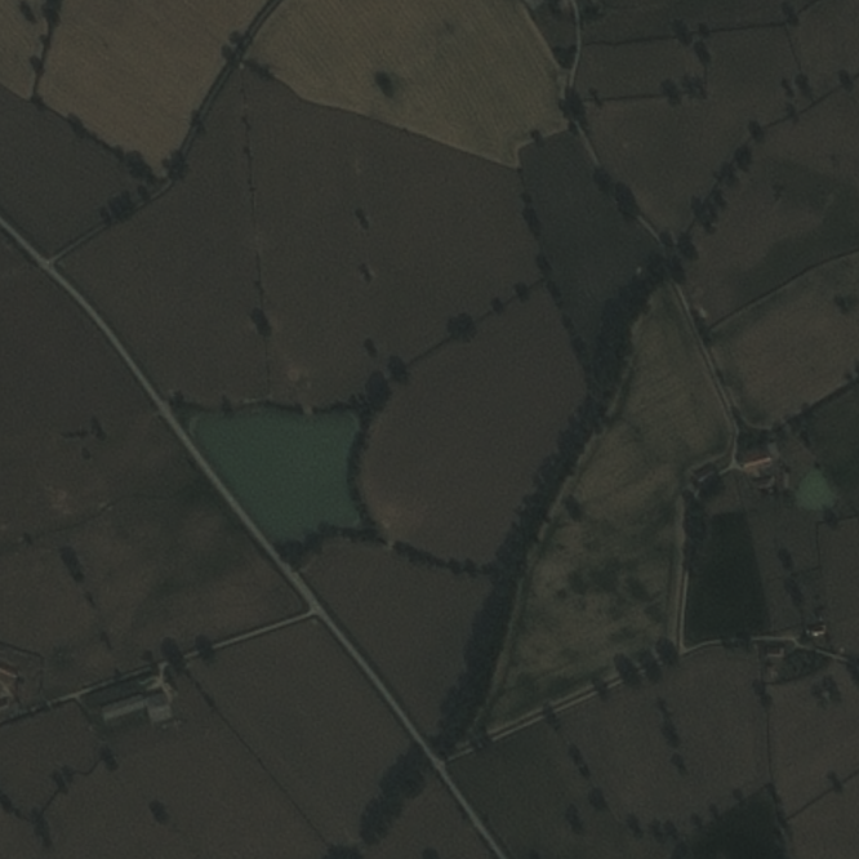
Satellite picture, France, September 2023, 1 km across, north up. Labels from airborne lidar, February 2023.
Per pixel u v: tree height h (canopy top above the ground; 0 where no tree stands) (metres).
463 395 0
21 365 0
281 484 0
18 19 0
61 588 0
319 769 0
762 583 0
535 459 0
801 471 0
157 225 0
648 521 0
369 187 0
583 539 0
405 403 0
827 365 0
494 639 12
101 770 0
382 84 17
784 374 0
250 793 0
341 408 10
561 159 0
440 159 0
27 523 0
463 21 0
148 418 0
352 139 0
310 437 0
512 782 0
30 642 0
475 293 0
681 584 0
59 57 0
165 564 0
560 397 0
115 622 0
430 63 0
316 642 0
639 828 18
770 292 0
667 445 0
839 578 0
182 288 0
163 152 0
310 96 0
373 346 11
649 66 0
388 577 0
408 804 0
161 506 0
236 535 0
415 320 0
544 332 0
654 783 0
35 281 0
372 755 0
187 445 0
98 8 0
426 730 0
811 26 0
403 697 0
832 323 0
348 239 0
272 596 0
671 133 0
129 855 0
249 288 0
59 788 14
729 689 0
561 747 0
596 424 17
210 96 0
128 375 0
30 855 0
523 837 0
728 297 0
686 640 0
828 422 0
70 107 0
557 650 0
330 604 0
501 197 0
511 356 0
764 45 0
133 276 0
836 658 0
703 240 0
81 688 0
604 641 0
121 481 0
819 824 0
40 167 0
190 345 0
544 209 0
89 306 0
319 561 0
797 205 0
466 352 0
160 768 0
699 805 0
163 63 0
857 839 0
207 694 0
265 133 0
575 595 0
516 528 11
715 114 0
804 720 0
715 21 0
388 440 0
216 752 0
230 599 0
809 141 0
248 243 0
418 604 0
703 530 20
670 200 0
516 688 0
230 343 0
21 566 0
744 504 0
